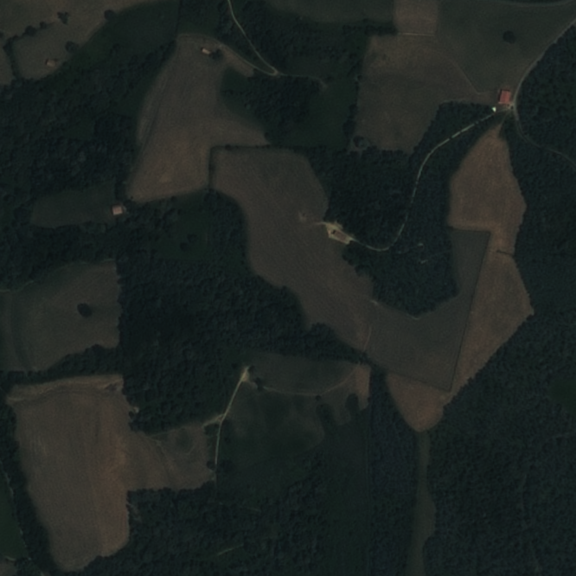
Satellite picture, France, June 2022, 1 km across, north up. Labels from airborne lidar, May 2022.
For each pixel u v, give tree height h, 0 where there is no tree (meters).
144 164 0
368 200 7
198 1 7
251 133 0
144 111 0
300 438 0
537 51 0
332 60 6
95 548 0
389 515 7
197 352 11
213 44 0
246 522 22
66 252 24
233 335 12
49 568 16
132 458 0
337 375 0
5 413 21
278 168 0
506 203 0
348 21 0
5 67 0
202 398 11
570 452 21
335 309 0
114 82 24
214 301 18
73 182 18
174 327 25
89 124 0
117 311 0
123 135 13
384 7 0
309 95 8
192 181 0
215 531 14
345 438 0
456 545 7
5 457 18
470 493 18
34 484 0
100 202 0
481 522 14
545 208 12
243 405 0
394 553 9
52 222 0
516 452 17
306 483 15
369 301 0
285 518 18
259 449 0
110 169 17
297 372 0
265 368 0
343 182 12
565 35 8
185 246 13
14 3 0
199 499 19
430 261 14
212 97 0
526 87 11
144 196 0
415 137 0
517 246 11
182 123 0
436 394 0
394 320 0
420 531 0
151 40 0
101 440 0
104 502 0
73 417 0
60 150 18
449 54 0
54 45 0
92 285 0
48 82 8
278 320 21
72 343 0
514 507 12
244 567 15
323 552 14
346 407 0
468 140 7
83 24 0
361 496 0
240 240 17
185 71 0
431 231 12
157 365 21
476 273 0
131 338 22
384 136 0
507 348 16
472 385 19
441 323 0
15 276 16
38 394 0
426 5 0
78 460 0
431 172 9
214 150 0
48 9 0
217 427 8
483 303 0
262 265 0
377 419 9
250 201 0
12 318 0
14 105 11
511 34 11
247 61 0
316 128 0
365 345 0
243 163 0
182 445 0
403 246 17
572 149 11
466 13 0
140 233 21
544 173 12
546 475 20
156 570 20
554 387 0
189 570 13
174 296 23
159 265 14
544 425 16
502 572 7
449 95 0
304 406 0
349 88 0
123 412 0
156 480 0
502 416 11
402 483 12
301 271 0
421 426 0
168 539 11
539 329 16
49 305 0
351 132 17
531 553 16
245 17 5
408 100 0
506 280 0
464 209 0
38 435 0
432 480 10
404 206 7
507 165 0
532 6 0
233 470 9
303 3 0
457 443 15
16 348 0
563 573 20
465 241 0
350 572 0
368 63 0
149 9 0
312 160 8
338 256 0
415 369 0
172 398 7
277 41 11
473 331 0
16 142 22
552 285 17
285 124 15
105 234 24
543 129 20
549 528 20
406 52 0
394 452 13
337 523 7
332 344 15
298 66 0
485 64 0
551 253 19
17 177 14
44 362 0
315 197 0
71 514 0
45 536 15
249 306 20
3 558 10
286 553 17
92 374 21
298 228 0
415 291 14
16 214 15
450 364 0
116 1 0
